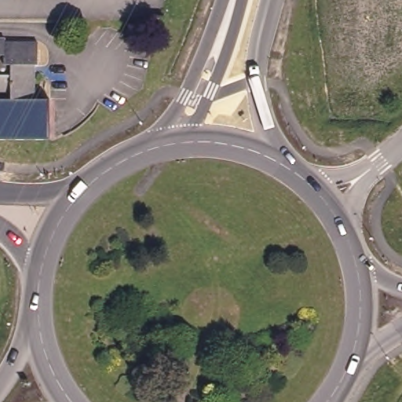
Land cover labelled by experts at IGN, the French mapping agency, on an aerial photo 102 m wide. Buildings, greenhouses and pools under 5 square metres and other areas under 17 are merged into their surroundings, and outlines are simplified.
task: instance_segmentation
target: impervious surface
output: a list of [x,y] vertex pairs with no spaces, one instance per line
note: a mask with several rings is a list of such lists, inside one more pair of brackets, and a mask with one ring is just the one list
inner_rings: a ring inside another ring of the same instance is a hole
[[[157,16],[163,14],[165,0],[0,0],[0,35],[8,35],[6,41],[9,42],[36,41],[36,64],[39,71],[35,72],[35,91],[22,97],[44,99],[47,96],[49,99],[47,138],[60,140],[75,132],[93,116],[99,105],[104,105],[108,110],[121,107],[127,97],[132,97],[143,86],[144,72],[148,69],[148,57],[144,53],[130,52],[124,39],[127,38],[129,24],[140,25],[148,20],[149,16]],[[60,36],[64,20],[82,17],[85,17],[91,33],[88,35],[85,50],[69,55],[53,42],[53,38]]]
[[[308,402],[358,402],[378,367],[385,363],[396,363],[396,356],[402,355],[402,256],[389,247],[383,236],[382,212],[389,196],[393,195],[396,188],[396,174],[393,168],[402,162],[402,126],[397,127],[396,132],[388,135],[380,143],[361,137],[338,148],[328,148],[323,141],[314,140],[314,135],[309,132],[308,127],[301,126],[292,110],[291,99],[284,86],[281,71],[294,9],[291,0],[206,0],[182,58],[181,68],[187,69],[188,72],[181,88],[163,86],[152,94],[148,104],[135,115],[96,133],[63,159],[49,163],[6,162],[3,165],[3,162],[0,162],[0,248],[5,251],[17,270],[14,300],[17,312],[16,327],[0,350],[0,402],[3,402],[16,385],[19,372],[24,371],[25,364],[31,367],[46,402],[91,402],[72,377],[58,344],[53,317],[53,291],[60,258],[63,256],[72,229],[79,223],[86,210],[90,209],[91,204],[96,203],[108,188],[118,184],[124,177],[137,173],[144,166],[179,159],[225,160],[261,171],[287,190],[291,190],[301,203],[316,215],[320,225],[325,229],[341,270],[344,327],[333,363]],[[97,144],[135,124],[141,126],[143,119],[151,110],[159,107],[163,97],[171,97],[170,104],[148,129],[113,144],[90,162],[80,166],[79,170],[71,170],[69,165]],[[291,122],[303,149],[323,157],[338,155],[344,165],[317,165],[308,162],[303,155],[298,154],[294,144],[287,140],[281,130],[278,121],[283,118],[284,121]]]

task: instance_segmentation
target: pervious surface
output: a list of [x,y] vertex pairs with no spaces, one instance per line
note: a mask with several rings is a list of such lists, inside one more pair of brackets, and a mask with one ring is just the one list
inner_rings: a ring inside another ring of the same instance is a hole
[[79,170],[80,166],[90,162],[113,144],[148,129],[170,104],[171,97],[163,97],[159,107],[151,110],[143,119],[141,126],[135,124],[97,144],[69,165],[71,170]]
[[294,144],[298,154],[303,155],[308,162],[317,165],[344,165],[338,155],[323,157],[303,149],[291,122],[284,121],[283,118],[278,121],[281,130],[287,140]]

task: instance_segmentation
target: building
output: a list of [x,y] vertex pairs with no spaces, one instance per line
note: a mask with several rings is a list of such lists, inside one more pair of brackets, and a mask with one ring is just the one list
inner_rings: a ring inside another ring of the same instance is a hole
[[36,64],[36,41],[9,42],[6,41],[8,35],[0,35],[0,138],[47,138],[49,99],[47,96],[44,99],[22,97],[35,91],[35,72],[39,71]]

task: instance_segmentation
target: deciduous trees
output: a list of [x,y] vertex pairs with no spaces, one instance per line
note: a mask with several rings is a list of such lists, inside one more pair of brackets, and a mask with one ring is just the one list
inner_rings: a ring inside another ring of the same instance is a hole
[[303,253],[301,256],[273,254],[265,267],[275,273],[287,270],[295,273],[305,272],[308,261]]
[[165,242],[155,236],[146,236],[144,240],[130,240],[119,250],[105,251],[99,247],[86,250],[86,254],[96,254],[96,259],[88,264],[88,270],[94,275],[107,276],[111,269],[119,267],[119,259],[124,254],[135,272],[143,272],[148,264],[157,265],[165,262],[168,253]]
[[226,383],[225,388],[214,386],[210,393],[204,393],[203,402],[270,402],[276,393],[269,385],[270,377],[275,371],[270,369],[270,364],[273,363],[275,355],[287,355],[291,347],[306,349],[311,342],[312,334],[305,325],[294,323],[294,328],[289,333],[276,334],[270,338],[269,327],[243,333],[239,328],[234,328],[231,323],[221,319],[207,323],[206,327],[196,327],[181,316],[177,316],[179,303],[174,298],[155,300],[154,295],[148,291],[138,291],[137,287],[129,284],[115,287],[108,295],[93,295],[88,303],[94,311],[94,331],[99,331],[100,328],[113,341],[108,345],[96,347],[93,356],[100,358],[100,366],[105,374],[119,371],[121,364],[126,364],[127,382],[132,389],[133,397],[144,402],[185,402],[188,393],[182,389],[185,382],[182,372],[188,371],[184,360],[192,360],[195,356],[199,375],[218,378]]
[[69,55],[85,50],[88,35],[91,33],[85,17],[82,17],[64,20],[60,36],[53,38],[53,42]]
[[168,47],[170,42],[170,33],[157,16],[149,16],[148,20],[140,25],[129,24],[127,38],[124,39],[130,52],[144,53],[148,57],[149,53],[159,52]]

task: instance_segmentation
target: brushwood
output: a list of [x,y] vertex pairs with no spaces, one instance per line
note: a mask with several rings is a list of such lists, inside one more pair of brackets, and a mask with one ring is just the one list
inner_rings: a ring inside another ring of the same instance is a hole
[[196,388],[188,393],[185,402],[203,402],[204,393],[210,393],[214,386],[225,388],[226,383],[218,378],[199,375]]
[[100,240],[99,247],[105,251],[119,250],[130,240],[126,229],[116,228],[115,234]]
[[312,309],[301,309],[300,316],[289,314],[281,325],[269,327],[270,338],[276,334],[289,333],[294,328],[294,323],[305,325],[312,334],[316,333],[317,325],[311,320],[316,314]]
[[275,371],[270,377],[269,385],[276,393],[280,393],[286,386],[286,377]]

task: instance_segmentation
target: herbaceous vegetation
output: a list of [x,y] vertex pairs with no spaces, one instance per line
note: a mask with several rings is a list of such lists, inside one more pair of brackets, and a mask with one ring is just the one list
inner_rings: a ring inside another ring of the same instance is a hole
[[[144,240],[146,236],[155,236],[165,242],[168,253],[165,262],[157,265],[148,264],[143,272],[135,272],[124,254],[119,259],[119,267],[111,269],[107,276],[94,275],[88,270],[88,264],[96,259],[96,254],[86,254],[86,250],[99,247],[100,240],[115,234],[116,228],[126,229],[130,240]],[[275,273],[265,267],[273,254],[301,256],[303,253],[308,261],[305,272],[295,273],[287,270]],[[300,316],[301,309],[312,309],[316,314],[311,320],[317,325],[316,333],[312,334],[311,342],[306,349],[291,347],[287,355],[275,355],[273,363],[270,364],[270,369],[275,371],[286,377],[286,386],[280,393],[276,393],[270,402],[308,402],[333,363],[344,327],[341,270],[325,229],[320,225],[316,215],[301,203],[291,190],[287,190],[261,171],[225,160],[179,159],[144,166],[137,173],[124,177],[118,184],[108,188],[96,203],[91,204],[90,209],[86,210],[79,223],[72,229],[63,256],[60,258],[53,291],[53,317],[58,344],[72,377],[91,402],[144,402],[133,397],[132,389],[127,382],[126,364],[121,364],[119,371],[105,374],[100,366],[100,358],[93,356],[96,347],[108,345],[113,341],[100,328],[99,331],[94,331],[94,311],[88,303],[93,295],[108,295],[115,287],[129,284],[137,287],[138,291],[148,291],[154,295],[155,300],[174,298],[179,303],[177,316],[181,316],[196,327],[206,327],[207,323],[221,319],[231,323],[234,328],[239,328],[243,333],[269,327],[281,325],[289,314]]]
[[192,360],[184,360],[188,371],[182,372],[185,382],[182,389],[188,393],[196,388],[199,375],[195,356]]
[[188,72],[187,69],[181,68],[182,58],[206,0],[165,0],[163,14],[157,16],[170,33],[170,42],[168,47],[159,52],[149,53],[148,57],[148,69],[144,72],[143,86],[132,97],[127,97],[121,107],[108,110],[104,105],[99,105],[93,116],[75,132],[60,140],[47,138],[0,138],[0,162],[3,162],[3,165],[6,162],[49,163],[63,159],[96,133],[135,115],[148,104],[152,94],[163,86],[181,88]]
[[402,162],[393,168],[396,174],[396,188],[393,195],[389,196],[382,212],[383,236],[389,247],[402,256]]
[[402,355],[396,356],[396,363],[385,363],[378,367],[358,402],[402,402]]
[[397,127],[402,126],[402,0],[291,0],[294,9],[281,71],[284,86],[291,99],[292,110],[301,126],[308,127],[309,132],[314,135],[314,140],[323,141],[328,148],[338,148],[361,137],[380,143],[388,135],[396,132]]
[[0,350],[16,327],[17,312],[14,300],[17,270],[5,251],[0,248]]
[[16,385],[3,402],[46,402],[31,367],[25,364],[24,371],[19,372]]

